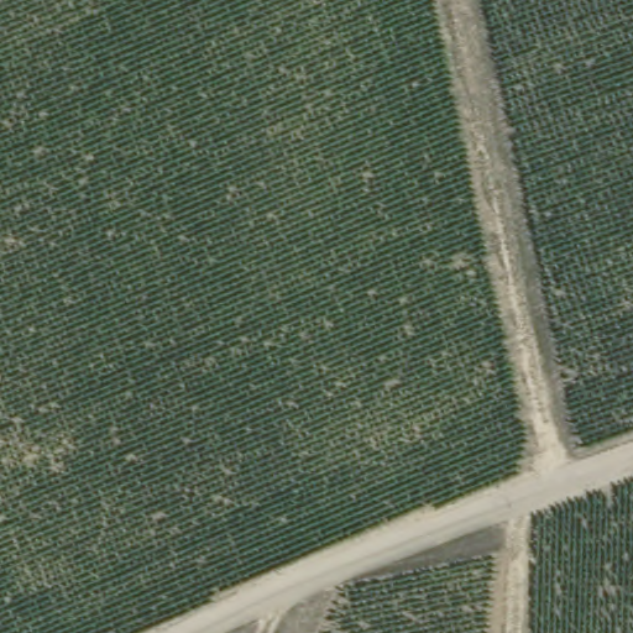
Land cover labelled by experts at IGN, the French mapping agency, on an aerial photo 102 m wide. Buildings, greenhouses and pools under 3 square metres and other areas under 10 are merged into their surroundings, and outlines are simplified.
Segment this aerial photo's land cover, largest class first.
<instances>
[{"label":"vineyard","instance_id":"1","mask_svg":"<svg viewBox=\"0 0 633 633\"><path fill-rule=\"evenodd\" d=\"M527 425L519 418L514 366L504 346L497 294L487 270L467 151L460 134V114L455 106V96L450 91L445 45L438 30L433 0H0V633H146L161 623H168L173 618H181L190 611L208 606L215 593L247 584L282 566H289L304 556L354 539L393 519H401L415 509L445 507L472 492L499 485L519 475L522 457L527 443ZM492 69L504 101L507 124L512 126V166L517 168L522 188V213L514 218L517 257H512V262L522 270L524 277L527 312L534 326L542 371L551 398V415L561 445L566 450L593 448L606 440L633 433V0H480ZM527 633H633V477L616 482L603 492L596 490L584 497L566 499L549 509L534 512L532 519ZM495 576L492 556L460 559L440 569H415L410 574H396L393 579L381 581L359 576L339 586V593L334 596V608L329 611L331 623L324 633H487L490 581Z\"/></svg>","mask_w":633,"mask_h":633},{"label":"herbaceous vegetation","instance_id":"2","mask_svg":"<svg viewBox=\"0 0 633 633\"><path fill-rule=\"evenodd\" d=\"M438 30L445 45L450 91L455 96V106L460 114V134L467 151L487 270L497 294L504 346L514 366L519 418L527 425V443L522 457L554 452L561 445L551 415V398L542 371L534 326L527 312L524 277L522 270L512 262V257H517L514 218L522 213V188L517 168L512 166V126L507 124L504 101L492 69L480 0H433ZM532 519L527 514H522L519 519L509 517L502 527L490 524L465 532L443 544L425 546L420 551H413L403 559L376 566L359 576L381 581L393 579L396 574H410L415 569H440L460 559L492 556L495 576L490 581L487 633H527ZM339 593V586L317 591L289 606V611L277 623L274 633H324L331 623L329 611L334 608V596Z\"/></svg>","mask_w":633,"mask_h":633},{"label":"pervious surface","instance_id":"3","mask_svg":"<svg viewBox=\"0 0 633 633\"><path fill-rule=\"evenodd\" d=\"M633 477V433L606 440L593 448L566 450L561 445L554 452L522 457L519 475L499 485L472 492L445 507L415 509L401 519H393L354 539L304 556L289 566H282L247 584L215 593L208 606L190 611L181 618H173L168 623H161L146 633H274L277 623L289 611V606L317 591L339 586L359 576L376 566L403 559L413 551H420L425 546L443 544L465 532L490 524L502 527L509 517L519 519L522 514H527L532 519L534 512L549 509L566 499L584 497L596 490L603 492L616 482Z\"/></svg>","mask_w":633,"mask_h":633}]
</instances>
